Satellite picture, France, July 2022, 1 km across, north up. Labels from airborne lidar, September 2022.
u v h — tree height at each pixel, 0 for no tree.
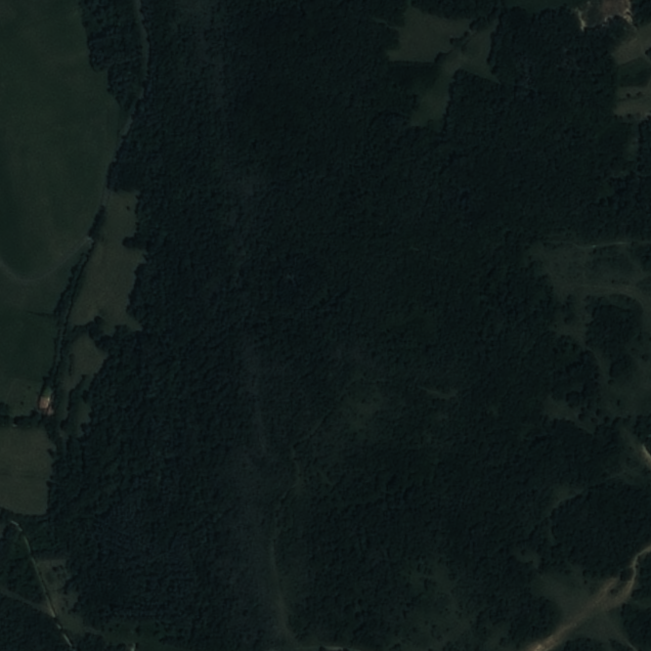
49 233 0
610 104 16
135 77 24
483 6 15
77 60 0
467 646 7
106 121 0
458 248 19
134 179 17
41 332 0
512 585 6
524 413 14
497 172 19
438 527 8
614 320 13
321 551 17
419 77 6
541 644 0
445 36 0
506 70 17
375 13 13
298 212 16
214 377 10
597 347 8
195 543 11
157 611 16
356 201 16
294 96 18
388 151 8
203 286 17
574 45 13
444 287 14
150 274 17
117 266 0
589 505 13
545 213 12
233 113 12
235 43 8
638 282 0
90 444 19
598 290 0
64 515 15
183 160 12
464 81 17
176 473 16
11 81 0
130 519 22
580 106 15
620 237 8
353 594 14
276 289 18
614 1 0
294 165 20
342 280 10
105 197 0
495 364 16
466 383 10
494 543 18
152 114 16
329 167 9
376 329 14
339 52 15
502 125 15
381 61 14
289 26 26
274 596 0
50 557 16
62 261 0
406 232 11
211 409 14
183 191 12
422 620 0
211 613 10
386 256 6
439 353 13
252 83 20
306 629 7
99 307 0
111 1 15
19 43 0
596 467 15
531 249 8
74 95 0
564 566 7
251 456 7
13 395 0
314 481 10
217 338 13
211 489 7
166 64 10
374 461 14
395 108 6
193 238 15
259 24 17
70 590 12
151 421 21
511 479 16
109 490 25
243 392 6
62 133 0
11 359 0
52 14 0
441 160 15
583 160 15
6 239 0
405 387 8
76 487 8
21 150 0
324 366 13
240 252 10
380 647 11
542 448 16
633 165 10
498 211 17
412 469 16
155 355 23
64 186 0
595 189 19
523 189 16
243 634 8
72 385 0
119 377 18
